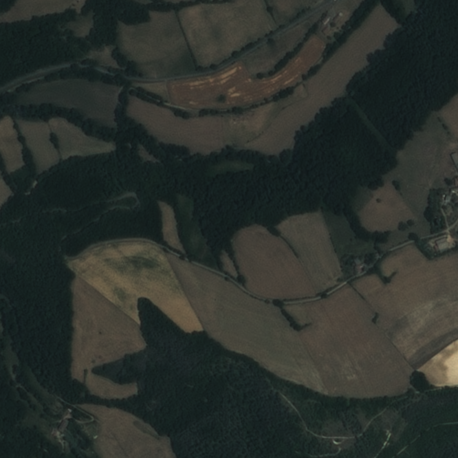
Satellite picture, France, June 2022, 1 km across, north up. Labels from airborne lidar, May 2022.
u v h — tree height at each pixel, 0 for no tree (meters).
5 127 0
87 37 11
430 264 0
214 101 0
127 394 0
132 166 24
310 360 0
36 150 0
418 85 23
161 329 10
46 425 0
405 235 0
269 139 0
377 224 0
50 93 0
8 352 0
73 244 14
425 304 0
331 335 0
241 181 25
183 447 20
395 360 0
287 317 10
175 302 0
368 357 0
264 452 14
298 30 0
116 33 15
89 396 12
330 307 0
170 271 0
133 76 19
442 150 0
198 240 0
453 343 0
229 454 20
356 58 0
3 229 9
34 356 21
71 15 16
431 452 15
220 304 0
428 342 0
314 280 0
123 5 17
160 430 14
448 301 0
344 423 14
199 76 0
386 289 0
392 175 0
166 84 0
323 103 0
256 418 17
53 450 19
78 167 13
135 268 0
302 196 23
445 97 13
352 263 7
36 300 18
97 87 0
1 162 20
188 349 13
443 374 0
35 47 17
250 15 0
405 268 0
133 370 14
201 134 0
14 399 9
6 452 21
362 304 0
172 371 7
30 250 13
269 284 0
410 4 0
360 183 15
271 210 18
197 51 0
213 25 0
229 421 18
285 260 0
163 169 20
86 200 13
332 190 31
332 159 21
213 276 0
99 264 0
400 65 17
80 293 0
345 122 18
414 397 12
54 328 21
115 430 0
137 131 16
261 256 0
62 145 0
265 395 13
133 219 10
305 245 0
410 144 0
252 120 0
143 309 13
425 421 7
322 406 9
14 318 19
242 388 17
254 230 0
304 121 0
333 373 0
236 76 0
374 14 0
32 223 10
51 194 12
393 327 0
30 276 16
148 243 0
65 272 16
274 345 0
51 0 0
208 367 9
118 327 0
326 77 0
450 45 20
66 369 18
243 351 0
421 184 0
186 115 12
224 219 27
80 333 0
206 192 24
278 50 0
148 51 0
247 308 0
